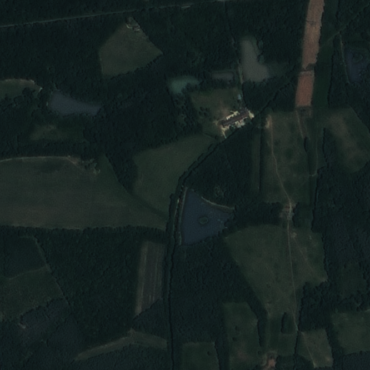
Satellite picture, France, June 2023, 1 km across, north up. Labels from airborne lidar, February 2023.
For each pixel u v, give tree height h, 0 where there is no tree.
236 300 20
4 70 23
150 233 8
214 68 23
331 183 25
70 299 19
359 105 9
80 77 26
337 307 23
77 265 18
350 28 12
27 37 29
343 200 23
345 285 0
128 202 0
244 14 12
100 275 21
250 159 19
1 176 0
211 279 27
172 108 20
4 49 25
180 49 23
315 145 0
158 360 13
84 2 18
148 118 20
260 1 10
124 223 0
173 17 16
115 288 18
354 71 0
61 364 9
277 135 0
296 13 19
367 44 16
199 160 9
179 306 24
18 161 0
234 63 20
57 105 0
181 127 7
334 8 0
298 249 0
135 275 20
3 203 0
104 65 0
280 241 0
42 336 22
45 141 8
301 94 0
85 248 16
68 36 21
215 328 23
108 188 0
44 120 17
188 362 0
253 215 21
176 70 25
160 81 25
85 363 8
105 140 25
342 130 0
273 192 0
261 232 0
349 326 0
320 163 0
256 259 0
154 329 12
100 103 14
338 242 30
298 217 19
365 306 26
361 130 0
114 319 22
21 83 0
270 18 14
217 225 0
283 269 0
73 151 21
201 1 15
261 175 7
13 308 0
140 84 25
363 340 0
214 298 24
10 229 19
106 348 0
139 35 0
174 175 0
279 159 0
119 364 13
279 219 18
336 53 10
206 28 6
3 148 23
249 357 0
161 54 0
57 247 20
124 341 0
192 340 22
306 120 0
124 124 23
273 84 24
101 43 21
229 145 19
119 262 16
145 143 18
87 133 13
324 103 0
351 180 15
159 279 0
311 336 0
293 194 0
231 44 16
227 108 0
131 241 19
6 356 26
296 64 17
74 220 0
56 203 0
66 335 21
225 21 14
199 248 20
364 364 25
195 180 22
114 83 25
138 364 9
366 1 14
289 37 21
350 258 30
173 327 21
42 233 20
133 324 17
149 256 0
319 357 0
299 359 17
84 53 25
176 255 21
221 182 21
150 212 0
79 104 0
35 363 19
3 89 0
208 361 0
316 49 0
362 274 0
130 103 24
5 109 15
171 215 14
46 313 23
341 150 0
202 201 0
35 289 0
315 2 0
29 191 0
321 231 14
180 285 21
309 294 23
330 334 15
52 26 22
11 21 21
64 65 24
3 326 21
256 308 17
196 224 0
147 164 0
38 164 0
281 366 16
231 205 21
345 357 19
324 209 20
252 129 21
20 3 22
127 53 0
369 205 28
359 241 27
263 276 0
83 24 21
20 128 19
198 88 18
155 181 0
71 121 19
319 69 13
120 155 24
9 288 0
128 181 18
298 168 0
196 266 26
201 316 21
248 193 24
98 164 6
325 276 0
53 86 14
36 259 14
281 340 0
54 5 21
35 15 21
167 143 18
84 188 0
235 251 0
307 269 0
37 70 25
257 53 0
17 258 12
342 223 28
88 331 24
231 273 26
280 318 0
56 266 23
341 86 22
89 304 22
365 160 0
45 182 0
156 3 19
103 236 20
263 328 20
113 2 14
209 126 0
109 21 25
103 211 0
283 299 0
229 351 12
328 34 0
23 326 24
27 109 21
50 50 27
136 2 22
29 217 0
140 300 0
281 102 18
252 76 0
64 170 0
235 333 0
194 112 16
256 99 20
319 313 22
